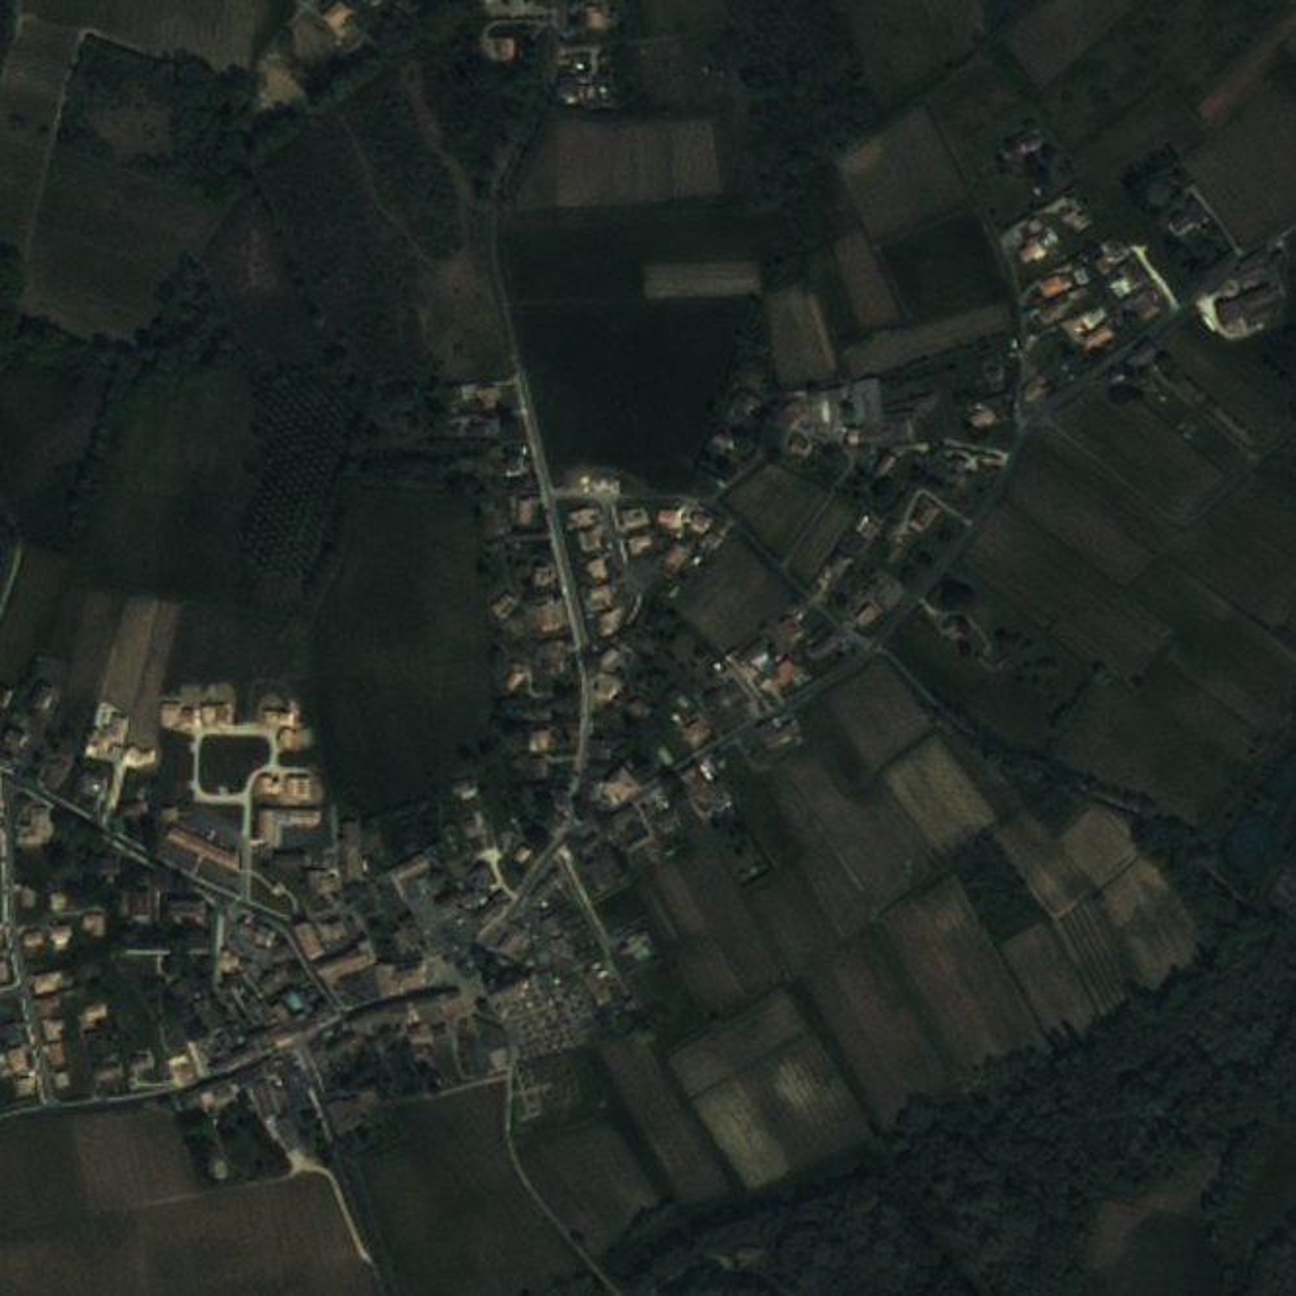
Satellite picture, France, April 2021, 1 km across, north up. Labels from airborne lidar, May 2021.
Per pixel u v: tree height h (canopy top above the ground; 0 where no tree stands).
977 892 14
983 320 0
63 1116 0
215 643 0
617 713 10
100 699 0
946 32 0
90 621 0
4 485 15
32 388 0
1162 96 0
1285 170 0
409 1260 0
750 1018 0
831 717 0
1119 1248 0
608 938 0
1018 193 0
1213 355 0
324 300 0
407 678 0
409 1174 0
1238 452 0
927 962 0
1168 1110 25
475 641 0
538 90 13
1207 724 0
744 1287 13
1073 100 5
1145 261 0
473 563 0
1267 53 0
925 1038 0
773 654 7
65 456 0
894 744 0
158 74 11
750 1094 0
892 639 0
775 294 0
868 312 0
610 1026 17
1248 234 0
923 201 0
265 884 0
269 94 0
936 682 0
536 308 0
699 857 0
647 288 0
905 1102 0
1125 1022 16
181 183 6
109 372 9
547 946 0
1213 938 8
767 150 8
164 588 0
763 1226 17
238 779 0
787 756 0
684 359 0
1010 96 0
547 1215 0
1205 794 0
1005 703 0
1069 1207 20
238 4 0
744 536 0
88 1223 0
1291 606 0
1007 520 0
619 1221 0
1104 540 0
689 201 0
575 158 0
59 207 0
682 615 8
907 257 0
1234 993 14
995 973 0
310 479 15
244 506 0
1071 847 0
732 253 0
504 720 8
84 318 0
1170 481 0
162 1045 0
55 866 11
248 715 0
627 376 0
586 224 0
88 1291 0
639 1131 0
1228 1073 13
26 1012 0
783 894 0
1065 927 0
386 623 0
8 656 0
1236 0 6
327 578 8
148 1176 0
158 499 0
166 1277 0
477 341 0
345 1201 0
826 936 0
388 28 8
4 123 0
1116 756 0
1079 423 0
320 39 0
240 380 0
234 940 0
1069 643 0
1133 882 0
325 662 0
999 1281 16
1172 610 0
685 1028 0
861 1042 0
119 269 0
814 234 10
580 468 0
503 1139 0
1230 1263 7
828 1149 0
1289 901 0
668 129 0
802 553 0
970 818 0
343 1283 0
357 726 0
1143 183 19
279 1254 0
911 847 0
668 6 0
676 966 0
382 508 0
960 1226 21
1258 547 0
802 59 20
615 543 0
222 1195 0
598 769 8
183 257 0
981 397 10
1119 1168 19
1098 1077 23
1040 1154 26
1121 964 0
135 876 14
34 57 0
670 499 0
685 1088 0
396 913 9
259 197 15
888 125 0
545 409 0
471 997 0
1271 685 0
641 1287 11
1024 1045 0
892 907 0
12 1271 0
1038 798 15
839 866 0
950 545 14
